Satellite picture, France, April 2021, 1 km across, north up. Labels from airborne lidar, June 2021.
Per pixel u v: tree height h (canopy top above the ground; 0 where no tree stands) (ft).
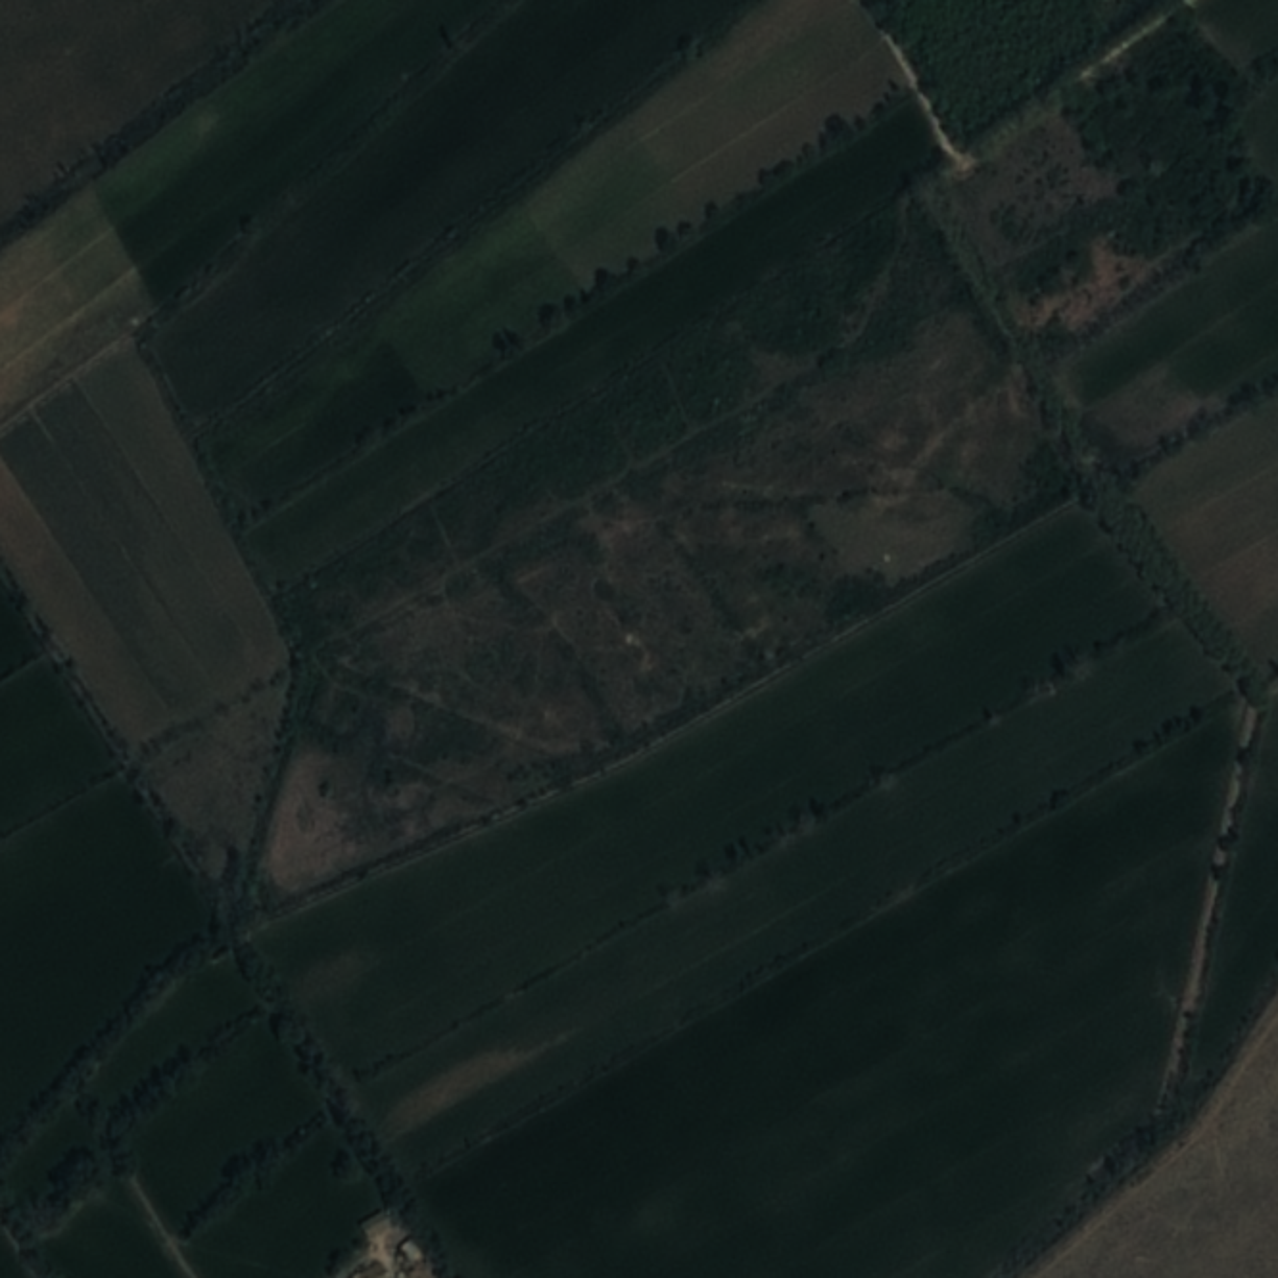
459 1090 0
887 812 0
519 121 0
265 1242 0
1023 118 54
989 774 0
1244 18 0
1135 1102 0
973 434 0
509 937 0
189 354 0
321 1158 0
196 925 0
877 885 0
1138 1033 0
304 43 0
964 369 0
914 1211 0
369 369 0
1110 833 0
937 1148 0
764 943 0
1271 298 0
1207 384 0
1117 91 65
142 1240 0
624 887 0
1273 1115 0
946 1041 0
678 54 19
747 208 28
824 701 0
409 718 0
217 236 0
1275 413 0
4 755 0
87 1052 30
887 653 0
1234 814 21
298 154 0
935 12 26
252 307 0
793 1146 0
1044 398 54
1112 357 0
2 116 0
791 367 0
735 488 0
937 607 0
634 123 0
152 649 0
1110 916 0
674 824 0
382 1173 46
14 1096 0
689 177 0
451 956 0
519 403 0
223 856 0
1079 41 25
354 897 0
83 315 0
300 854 0
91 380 0
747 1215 0
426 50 0
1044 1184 0
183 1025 0
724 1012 0
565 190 0
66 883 0
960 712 0
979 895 0
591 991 0
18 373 0
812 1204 0
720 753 0
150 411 0
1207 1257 0
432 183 0
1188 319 0
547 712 0
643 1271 0
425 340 0
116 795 0
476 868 0
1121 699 0
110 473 0
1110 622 0
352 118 0
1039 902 0
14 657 0
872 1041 0
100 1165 63
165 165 0
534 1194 0
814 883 0
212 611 0
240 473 0
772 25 0
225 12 0
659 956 0
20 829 26
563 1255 0
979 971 0
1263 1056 0
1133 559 87
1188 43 54
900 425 0
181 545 0
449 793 0
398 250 0
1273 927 0
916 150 0
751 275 0
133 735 0
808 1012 0
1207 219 36
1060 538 0
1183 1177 0
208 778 0
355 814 0
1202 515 0
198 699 0
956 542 0
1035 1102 0
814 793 0
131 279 0
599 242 0
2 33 0
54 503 0
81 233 0
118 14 0
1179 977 0
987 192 0
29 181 0
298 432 0
